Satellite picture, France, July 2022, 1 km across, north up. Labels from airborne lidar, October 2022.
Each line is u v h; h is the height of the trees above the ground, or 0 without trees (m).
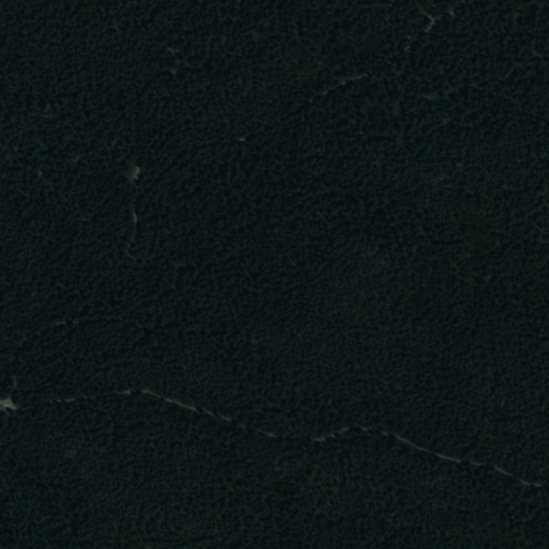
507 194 9
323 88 32
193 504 19
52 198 24
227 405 34
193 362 8
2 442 19
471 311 19
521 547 20
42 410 24
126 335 29
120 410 19
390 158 26
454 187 22
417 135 16
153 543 22
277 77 10
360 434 38
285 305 33
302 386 22
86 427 10
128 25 26
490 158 24
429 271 20
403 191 17
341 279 17
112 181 19
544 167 24
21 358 37
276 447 21
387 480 25
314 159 36
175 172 30
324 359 11
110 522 21
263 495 34
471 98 29
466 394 15
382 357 16
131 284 34
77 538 24
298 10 22
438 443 34
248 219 13
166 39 23
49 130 17
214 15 20
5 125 17
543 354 21
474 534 24
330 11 31
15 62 27
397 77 35
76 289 21
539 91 16
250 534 29
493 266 12
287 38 10
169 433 21
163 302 23
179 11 19
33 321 14
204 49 8
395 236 15
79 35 17
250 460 20
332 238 8
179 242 29
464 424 8
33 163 13
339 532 21
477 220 9
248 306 18
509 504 10
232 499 19
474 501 7
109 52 20
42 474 31
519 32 10
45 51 20
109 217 26
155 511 20
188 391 35
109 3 10
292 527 11
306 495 15
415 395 30
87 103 32
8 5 25
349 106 14
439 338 6
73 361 8
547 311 14
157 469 23
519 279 21
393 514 24
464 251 31
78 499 7
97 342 19
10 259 14
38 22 27
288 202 16
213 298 29
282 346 17
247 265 30
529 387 9
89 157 16
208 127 19
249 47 21
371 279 18
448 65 27
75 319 33
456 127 27
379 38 8
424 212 9
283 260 9
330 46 19
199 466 18
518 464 23
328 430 27
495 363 16
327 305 22
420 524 6
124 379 18
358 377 26
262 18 23
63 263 15
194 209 22
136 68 26
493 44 24
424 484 10
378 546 23
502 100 14
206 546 17
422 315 14
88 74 13
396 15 10
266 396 19
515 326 24
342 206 35
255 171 40
